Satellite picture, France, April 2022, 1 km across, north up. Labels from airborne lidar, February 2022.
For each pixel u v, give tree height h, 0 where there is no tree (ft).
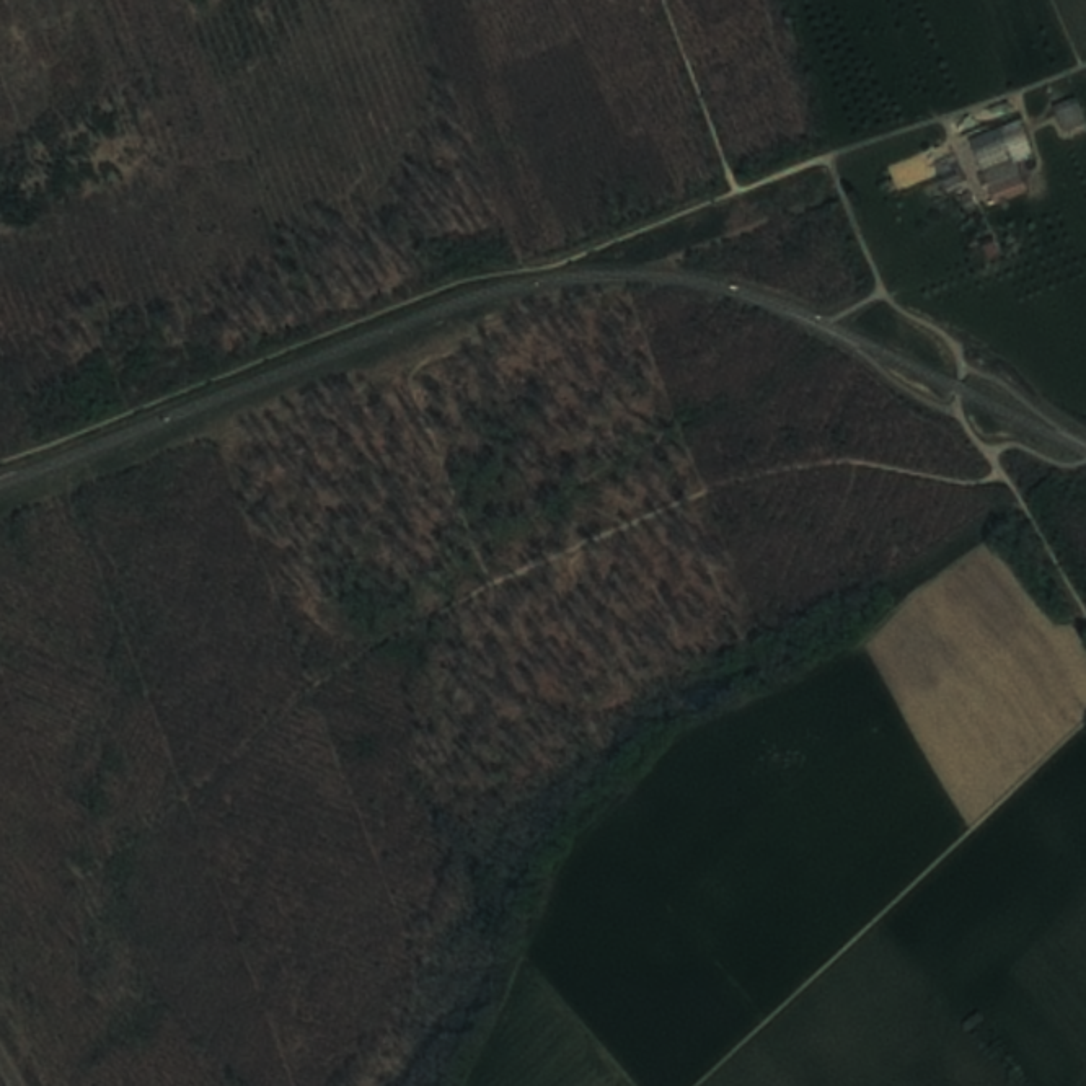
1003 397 0
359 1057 0
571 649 0
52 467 0
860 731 0
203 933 0
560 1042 0
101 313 104
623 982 0
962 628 0
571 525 100
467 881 81
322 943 0
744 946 0
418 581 82
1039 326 0
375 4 0
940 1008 0
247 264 0
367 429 103
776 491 19
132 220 0
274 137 0
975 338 0
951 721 0
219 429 0
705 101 0
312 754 0
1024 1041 0
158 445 0
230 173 0
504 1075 0
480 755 76
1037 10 0
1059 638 0
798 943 0
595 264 0
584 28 0
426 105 0
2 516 0
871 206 0
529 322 100
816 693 0
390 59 0
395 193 0
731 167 0
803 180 0
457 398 0
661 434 0
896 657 0
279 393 0
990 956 0
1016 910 0
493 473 98
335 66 0
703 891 0
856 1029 0
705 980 0
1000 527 62
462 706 0
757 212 0
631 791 41
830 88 0
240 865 0
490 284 0
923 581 0
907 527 0
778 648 78
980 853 0
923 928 0
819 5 0
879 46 0
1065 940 0
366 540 83
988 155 0
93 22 0
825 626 79
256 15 0
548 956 0
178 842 0
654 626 0
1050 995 0
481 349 0
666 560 0
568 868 0
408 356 0
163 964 0
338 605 92
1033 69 0
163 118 0
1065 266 0
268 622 0
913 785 0
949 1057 0
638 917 0
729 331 23
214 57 0
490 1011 64
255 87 0
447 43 0
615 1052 0
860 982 0
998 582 0
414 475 0
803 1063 0
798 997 0
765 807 0
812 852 0
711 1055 0
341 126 0
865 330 0
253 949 0
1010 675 0
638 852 0
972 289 0
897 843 0
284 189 0
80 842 0
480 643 0
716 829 0
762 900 0
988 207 0
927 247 0
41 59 0
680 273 0
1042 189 0
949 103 0
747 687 69
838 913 0
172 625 0
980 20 0
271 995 0
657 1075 0
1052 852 0
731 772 0
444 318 0
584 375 0
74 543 0
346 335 0
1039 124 0
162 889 0
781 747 0
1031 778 0
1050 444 0
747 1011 0
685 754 0
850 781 0
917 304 0
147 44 0
